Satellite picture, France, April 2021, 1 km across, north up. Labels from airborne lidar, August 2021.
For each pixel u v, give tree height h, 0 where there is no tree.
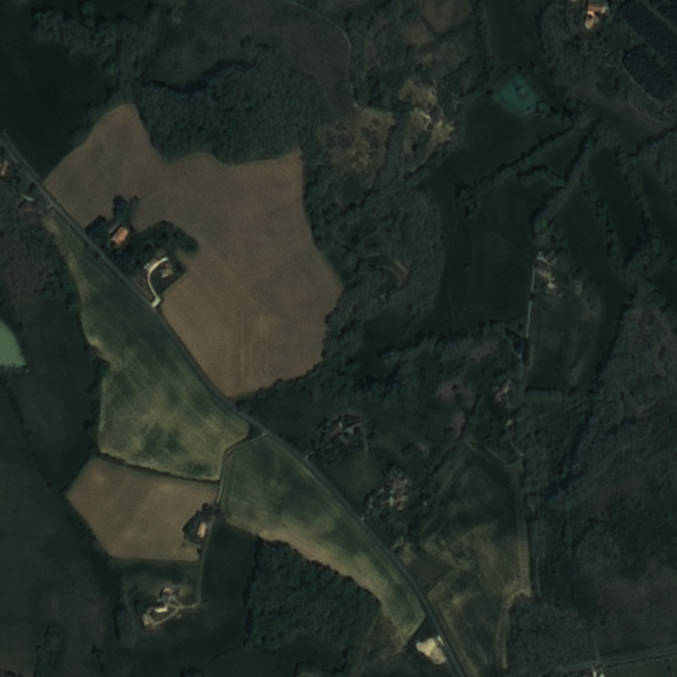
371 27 10
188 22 0
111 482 0
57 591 0
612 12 8
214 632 0
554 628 16
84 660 0
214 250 0
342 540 0
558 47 21
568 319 0
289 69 13
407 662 0
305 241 0
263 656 0
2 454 0
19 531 0
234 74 23
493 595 0
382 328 0
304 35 0
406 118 15
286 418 0
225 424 0
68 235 0
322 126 19
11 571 0
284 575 18
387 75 12
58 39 15
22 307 0
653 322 11
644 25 16
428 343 20
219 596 0
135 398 0
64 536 0
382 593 0
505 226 0
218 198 0
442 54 0
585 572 17
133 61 23
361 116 0
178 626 0
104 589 0
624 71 11
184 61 0
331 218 22
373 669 0
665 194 0
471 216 14
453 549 0
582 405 9
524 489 11
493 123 0
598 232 0
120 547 0
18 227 20
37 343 0
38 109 0
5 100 0
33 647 0
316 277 0
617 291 0
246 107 24
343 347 21
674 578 0
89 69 0
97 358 13
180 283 0
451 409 0
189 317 0
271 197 0
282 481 0
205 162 0
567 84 21
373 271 16
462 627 0
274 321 0
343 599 19
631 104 12
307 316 0
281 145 21
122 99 19
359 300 18
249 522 0
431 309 12
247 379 0
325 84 0
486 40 17
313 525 0
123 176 0
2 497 0
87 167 0
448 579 0
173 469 0
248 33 0
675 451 10
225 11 0
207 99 24
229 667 0
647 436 15
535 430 8
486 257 0
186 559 0
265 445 0
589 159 17
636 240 0
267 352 0
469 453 0
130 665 0
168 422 0
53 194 0
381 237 0
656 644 0
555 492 9
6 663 0
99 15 0
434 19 0
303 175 0
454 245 0
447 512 0
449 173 0
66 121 0
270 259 0
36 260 9
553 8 20
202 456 0
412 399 18
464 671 0
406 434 0
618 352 16
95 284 0
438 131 0
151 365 0
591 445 25
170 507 0
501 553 0
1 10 0
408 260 18
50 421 0
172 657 0
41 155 0
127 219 11
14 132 0
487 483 0
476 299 0
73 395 0
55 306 0
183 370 0
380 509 10
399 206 21
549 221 10
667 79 15
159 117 21
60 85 0
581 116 20
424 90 0
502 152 0
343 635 20
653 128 0
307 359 0
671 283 0
